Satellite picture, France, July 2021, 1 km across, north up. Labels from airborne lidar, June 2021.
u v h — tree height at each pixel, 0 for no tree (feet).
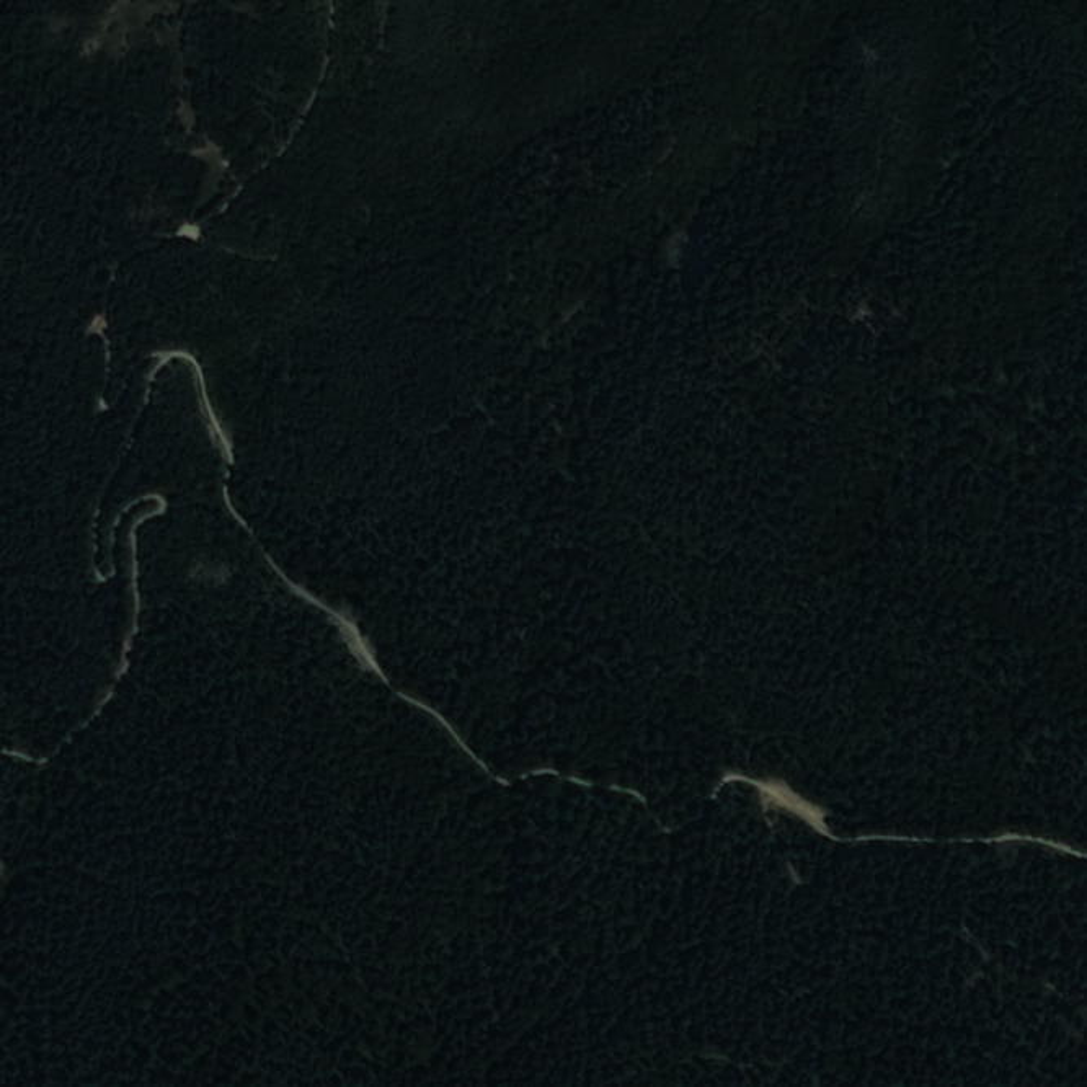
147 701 30
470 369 71
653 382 52
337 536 108
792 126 93
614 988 89
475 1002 62
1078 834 45
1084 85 43
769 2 20
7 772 87
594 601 95
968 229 82
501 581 72
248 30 51
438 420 73
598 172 67
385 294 85
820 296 72
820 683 91
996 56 67
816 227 50
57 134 76
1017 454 23
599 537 53
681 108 45
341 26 37
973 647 91
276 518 68
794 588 67
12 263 27
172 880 80
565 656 48
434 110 36
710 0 45
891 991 59
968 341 62
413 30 47
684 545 46
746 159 82
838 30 91
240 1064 42
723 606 61
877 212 50
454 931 68
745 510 52
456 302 32
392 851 61
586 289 74
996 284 62
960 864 50
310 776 72
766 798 0
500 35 36
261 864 45
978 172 61
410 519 51
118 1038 94
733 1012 104
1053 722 47
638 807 56
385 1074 47
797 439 87
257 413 49
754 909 54
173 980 39
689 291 25
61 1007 58
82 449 65
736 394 85
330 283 38
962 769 49
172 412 31
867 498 46
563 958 25
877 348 29
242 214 56
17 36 65
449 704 32
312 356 60
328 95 44
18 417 83
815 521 24
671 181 45
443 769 74
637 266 90
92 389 61
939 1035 97
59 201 62
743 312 64
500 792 56
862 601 35
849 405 72
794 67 80
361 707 60
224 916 26
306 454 68
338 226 40
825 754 28
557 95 44
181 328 29
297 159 41
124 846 68
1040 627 59
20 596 93
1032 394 70
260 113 37
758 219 63
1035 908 63
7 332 90
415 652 67
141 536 37
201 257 43
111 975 54
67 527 63
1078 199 44
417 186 50
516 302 52
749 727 41
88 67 34
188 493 61
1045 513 101
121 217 54
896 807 48
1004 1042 107
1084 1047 26
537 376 65
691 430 72
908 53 50
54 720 46
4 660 75
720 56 46
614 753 42
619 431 51
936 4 31
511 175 81
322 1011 64
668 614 78
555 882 91
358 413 60
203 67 49
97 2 31
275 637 64
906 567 55
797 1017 100
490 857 73
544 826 122
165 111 52
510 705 45
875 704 49
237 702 68
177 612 25
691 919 81
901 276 61
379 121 43
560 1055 94
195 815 82
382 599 40
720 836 56
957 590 54
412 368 55
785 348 47
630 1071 20
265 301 37
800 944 31
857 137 41
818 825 0
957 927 90
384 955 52
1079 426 83
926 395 46
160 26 28
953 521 41
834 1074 34
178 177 44
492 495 74
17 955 57
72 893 70
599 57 32
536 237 67
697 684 45
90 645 95
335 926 84
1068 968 113
